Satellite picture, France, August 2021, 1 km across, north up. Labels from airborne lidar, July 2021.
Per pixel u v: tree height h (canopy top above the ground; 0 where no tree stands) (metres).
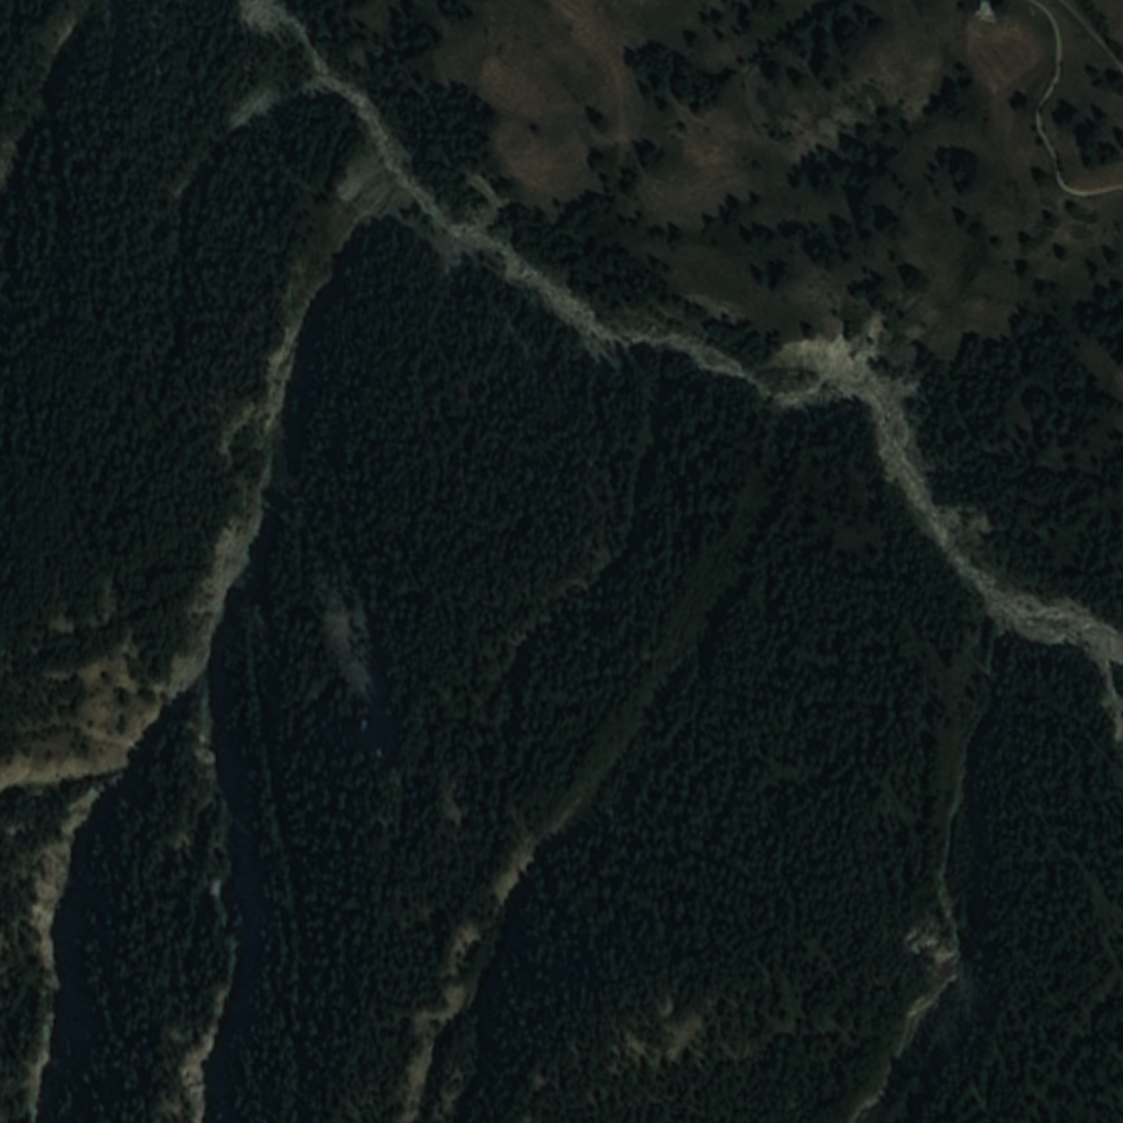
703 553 22
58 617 9
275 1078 16
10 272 7
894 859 29
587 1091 24
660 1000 14
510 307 12
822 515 9
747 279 0
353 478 23
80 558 15
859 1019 23
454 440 25
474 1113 15
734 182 0
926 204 0
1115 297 18
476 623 21
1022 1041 15
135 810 13
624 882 19
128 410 21
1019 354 20
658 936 23
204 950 18
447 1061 10
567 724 19
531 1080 16
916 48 0
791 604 29
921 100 0
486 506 22
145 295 16
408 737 10
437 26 0
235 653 7
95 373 22
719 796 21
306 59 13
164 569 11
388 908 15
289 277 15
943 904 6
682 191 0
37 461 20
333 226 0
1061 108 0
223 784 0
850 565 20
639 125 0
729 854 22
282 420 0
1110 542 20
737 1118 22
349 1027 15
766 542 14
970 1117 16
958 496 13
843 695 25
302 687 17
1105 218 0
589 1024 10
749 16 19
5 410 13
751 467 20
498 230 8
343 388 13
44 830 8
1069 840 14
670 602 18
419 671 10
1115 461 11
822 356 0
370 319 15
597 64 0
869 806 21
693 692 7
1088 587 14
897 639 26
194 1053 15
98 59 11
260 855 17
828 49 21
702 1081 20
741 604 17
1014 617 0
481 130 18
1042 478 18
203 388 16
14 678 15
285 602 13
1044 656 11
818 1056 16
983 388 20
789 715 25
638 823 19
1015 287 0
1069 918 15
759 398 10
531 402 17
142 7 6
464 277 10
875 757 20
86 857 10
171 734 11
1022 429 0
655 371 16
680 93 19
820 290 0
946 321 0
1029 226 0
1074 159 0
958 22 0
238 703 15
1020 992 9
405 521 23
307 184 25
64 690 12
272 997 15
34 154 18
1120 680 8
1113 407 24
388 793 14
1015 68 0
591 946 18
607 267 20
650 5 0
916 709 25
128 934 17
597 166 10
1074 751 10
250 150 13
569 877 19
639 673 14
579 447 18
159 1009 8
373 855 16
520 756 20
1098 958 19
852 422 17
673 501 11
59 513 13
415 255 17
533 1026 7
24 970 8
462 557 13
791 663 22
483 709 20
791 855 23
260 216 18
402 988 18
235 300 16
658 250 0
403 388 16
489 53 0
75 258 17
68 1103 11
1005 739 12
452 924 20
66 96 17
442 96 19
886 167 15
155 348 7
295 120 15
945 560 8
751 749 9
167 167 22
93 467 26
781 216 0
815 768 26
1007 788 11
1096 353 0
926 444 7
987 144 0
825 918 19
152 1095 14
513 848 13
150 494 24
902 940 13
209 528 9
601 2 0
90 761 0
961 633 20
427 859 21
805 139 0
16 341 19
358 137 10
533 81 0
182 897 9
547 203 0
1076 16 0
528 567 21
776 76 24
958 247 0
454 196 10
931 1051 8
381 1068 17
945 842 5
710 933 11
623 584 17
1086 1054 20
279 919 10
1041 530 16
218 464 7
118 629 14
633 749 5
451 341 20
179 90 19
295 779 14
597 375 12
